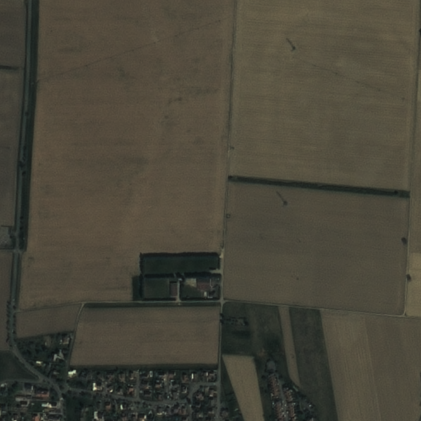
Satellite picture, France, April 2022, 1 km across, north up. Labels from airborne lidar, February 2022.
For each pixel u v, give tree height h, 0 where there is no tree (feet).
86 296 0
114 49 0
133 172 0
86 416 0
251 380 0
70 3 0
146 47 0
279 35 0
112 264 0
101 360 0
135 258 0
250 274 0
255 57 0
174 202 0
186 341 0
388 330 0
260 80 0
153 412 0
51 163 0
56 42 0
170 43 0
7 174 0
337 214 0
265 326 0
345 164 0
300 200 0
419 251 0
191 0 0
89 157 0
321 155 0
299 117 0
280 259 0
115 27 0
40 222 0
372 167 0
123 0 0
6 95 0
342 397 0
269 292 0
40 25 0
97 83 0
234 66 0
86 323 0
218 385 0
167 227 0
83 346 0
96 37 0
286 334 0
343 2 0
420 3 0
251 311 0
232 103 0
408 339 0
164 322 0
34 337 0
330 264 0
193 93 0
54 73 0
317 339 0
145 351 0
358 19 0
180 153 0
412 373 0
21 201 0
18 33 0
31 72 0
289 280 0
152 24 0
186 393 0
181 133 0
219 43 0
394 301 0
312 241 0
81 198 0
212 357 0
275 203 0
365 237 0
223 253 0
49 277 0
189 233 0
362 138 0
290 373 0
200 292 0
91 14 0
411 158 0
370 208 0
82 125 0
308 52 0
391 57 0
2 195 0
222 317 38
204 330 0
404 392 0
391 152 0
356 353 0
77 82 0
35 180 0
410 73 0
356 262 0
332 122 0
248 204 0
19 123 0
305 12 0
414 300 0
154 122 0
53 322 0
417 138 0
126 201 0
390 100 0
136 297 0
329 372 0
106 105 0
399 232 0
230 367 0
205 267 0
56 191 0
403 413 0
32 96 0
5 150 0
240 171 0
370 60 0
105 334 0
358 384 0
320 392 0
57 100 0
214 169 0
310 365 0
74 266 0
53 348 0
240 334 0
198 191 0
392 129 0
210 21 0
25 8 0
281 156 0
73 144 0
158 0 0
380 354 0
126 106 0
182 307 0
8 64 0
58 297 0
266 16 0
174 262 0
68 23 0
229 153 0
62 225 0
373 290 0
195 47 0
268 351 0
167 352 0
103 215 0
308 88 0
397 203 0
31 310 0
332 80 0
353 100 0
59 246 0
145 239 0
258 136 0
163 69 0
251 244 0
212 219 0
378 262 0
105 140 0
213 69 0
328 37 0
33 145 0
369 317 0
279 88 0
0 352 0
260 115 0
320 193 0
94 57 0
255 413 0
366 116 0
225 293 0
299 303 0
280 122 0
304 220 0
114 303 0
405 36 0
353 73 0
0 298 0
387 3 0
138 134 0
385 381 0
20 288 0
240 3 0
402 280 0
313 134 0
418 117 0
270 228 0
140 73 0
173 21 0
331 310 0
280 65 0
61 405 0
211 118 0
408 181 0
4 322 0
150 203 0
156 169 0
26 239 0
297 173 0
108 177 0
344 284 0
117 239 0
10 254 0
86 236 0
